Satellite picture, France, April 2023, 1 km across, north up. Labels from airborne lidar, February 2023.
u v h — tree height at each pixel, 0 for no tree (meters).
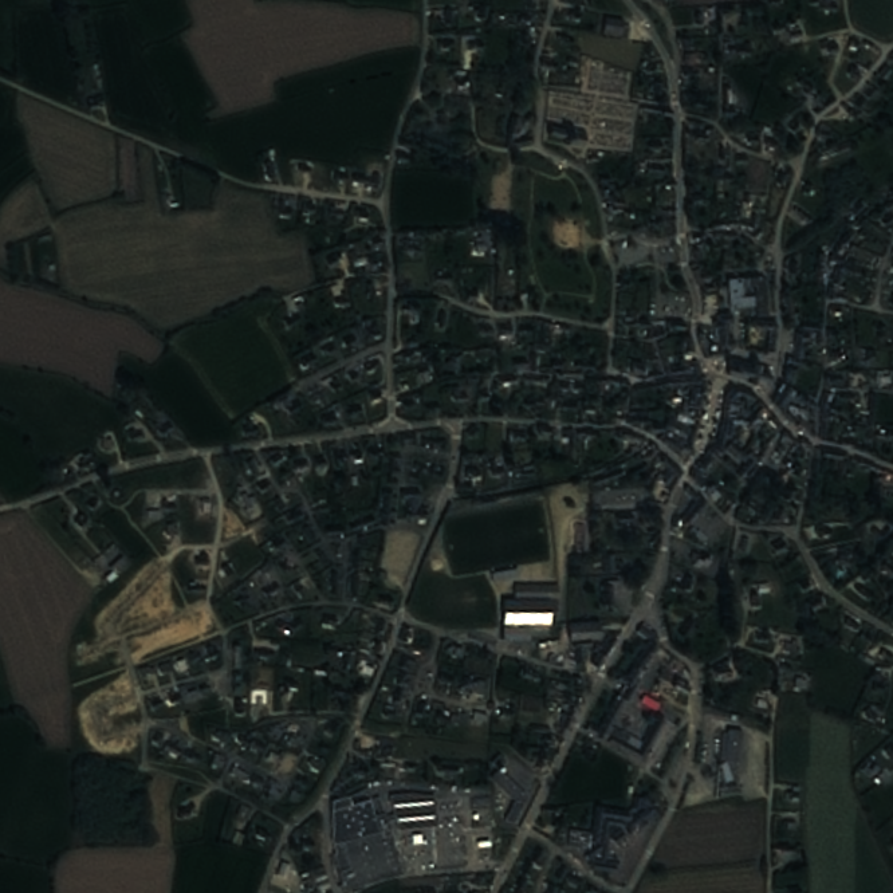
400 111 0
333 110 0
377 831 0
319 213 10
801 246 11
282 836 0
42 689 0
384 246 0
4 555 0
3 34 0
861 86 0
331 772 0
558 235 0
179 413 0
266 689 0
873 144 0
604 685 0
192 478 0
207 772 0
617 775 0
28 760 0
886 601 8
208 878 0
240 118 0
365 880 0
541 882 0
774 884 0
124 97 0
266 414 0
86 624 0
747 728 0
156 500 0
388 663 0
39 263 0
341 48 0
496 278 10
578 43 0
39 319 0
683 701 0
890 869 0
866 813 7
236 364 0
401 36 0
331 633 0
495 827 0
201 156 0
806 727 0
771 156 13
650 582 0
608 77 0
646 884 0
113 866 0
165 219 0
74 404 0
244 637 7
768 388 0
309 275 0
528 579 0
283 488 0
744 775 0
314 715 9
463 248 0
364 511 0
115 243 0
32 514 0
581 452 0
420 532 0
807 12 0
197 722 0
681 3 0
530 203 0
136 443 0
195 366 0
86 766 12
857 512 11
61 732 0
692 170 10
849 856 0
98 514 0
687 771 0
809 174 0
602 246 0
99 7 0
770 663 5
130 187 0
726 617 21
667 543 0
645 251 0
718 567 0
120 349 0
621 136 0
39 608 0
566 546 0
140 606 0
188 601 0
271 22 0
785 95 8
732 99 0
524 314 0
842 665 0
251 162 0
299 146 0
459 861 0
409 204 0
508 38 0
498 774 0
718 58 12
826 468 6
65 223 0
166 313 0
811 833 0
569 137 0
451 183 0
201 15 0
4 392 0
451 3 0
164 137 0
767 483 23
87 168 0
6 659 0
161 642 0
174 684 0
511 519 0
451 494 0
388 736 0
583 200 0
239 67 0
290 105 0
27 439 8
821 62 7
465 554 0
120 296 0
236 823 0
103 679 0
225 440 0
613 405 11
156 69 0
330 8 0
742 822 0
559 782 12
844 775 0
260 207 0
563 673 6
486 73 10
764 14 9
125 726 0
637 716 0
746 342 7
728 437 0
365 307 0
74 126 0
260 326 0
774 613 0
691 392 0
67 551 0
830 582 6
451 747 0
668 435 0
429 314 8
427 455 0
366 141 0
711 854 0
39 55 0
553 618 0
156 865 0
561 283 0
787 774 0
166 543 0
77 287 0
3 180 0
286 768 0
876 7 0
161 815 0
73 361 0
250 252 0
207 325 0
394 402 0
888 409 0
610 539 16
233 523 0
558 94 0
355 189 0
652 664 0
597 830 0
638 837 0
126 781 11
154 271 0
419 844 0
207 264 0
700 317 0
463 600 0
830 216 9
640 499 0
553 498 0
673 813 0
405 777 0
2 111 0
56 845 0
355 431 0
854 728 0
